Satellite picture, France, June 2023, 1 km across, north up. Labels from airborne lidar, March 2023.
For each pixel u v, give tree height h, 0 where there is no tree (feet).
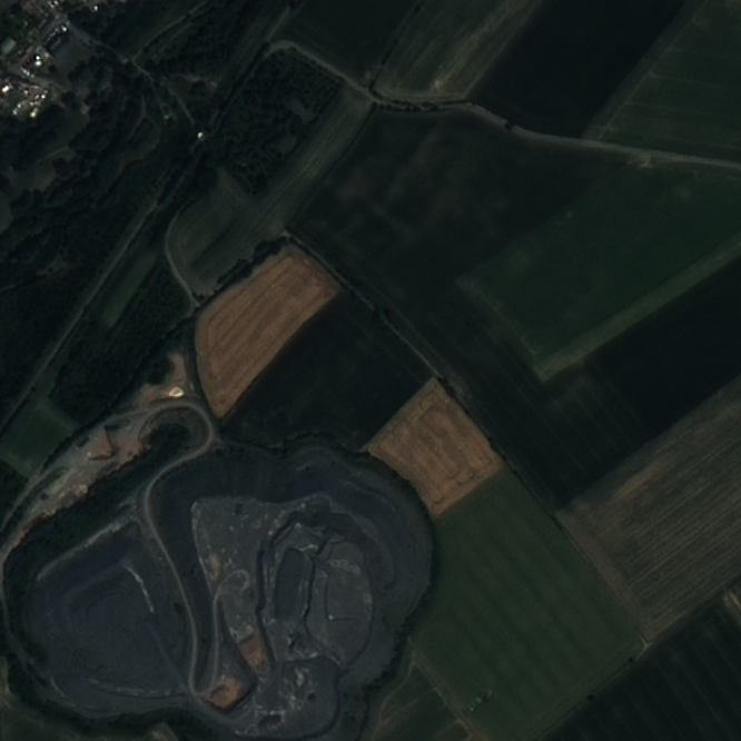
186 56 39
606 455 0
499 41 0
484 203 0
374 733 0
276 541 0
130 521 0
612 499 0
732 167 0
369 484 0
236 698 0
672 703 0
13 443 0
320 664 0
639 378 0
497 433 0
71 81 23
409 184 0
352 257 0
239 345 0
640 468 0
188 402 0
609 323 0
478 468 0
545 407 0
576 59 0
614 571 0
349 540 0
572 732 0
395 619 0
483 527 0
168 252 0
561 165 0
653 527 0
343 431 0
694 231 0
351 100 0
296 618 0
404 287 0
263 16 0
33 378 0
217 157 53
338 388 0
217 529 0
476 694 0
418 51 0
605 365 0
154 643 0
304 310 0
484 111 0
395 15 0
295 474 0
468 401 0
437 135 0
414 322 0
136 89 38
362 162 0
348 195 0
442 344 0
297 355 0
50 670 0
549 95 0
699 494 0
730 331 0
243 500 0
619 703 0
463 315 0
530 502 0
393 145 0
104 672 0
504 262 0
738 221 0
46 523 60
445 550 0
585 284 0
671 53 0
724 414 0
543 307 0
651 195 0
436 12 0
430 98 0
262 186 35
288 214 0
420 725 0
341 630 0
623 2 0
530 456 0
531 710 0
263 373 0
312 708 0
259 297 0
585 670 0
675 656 0
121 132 44
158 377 0
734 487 0
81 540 0
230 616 0
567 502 0
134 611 0
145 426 0
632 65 0
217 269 0
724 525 0
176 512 0
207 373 0
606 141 0
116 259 0
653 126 0
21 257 71
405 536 0
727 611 0
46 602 0
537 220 0
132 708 0
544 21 0
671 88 0
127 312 20
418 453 0
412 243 0
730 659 0
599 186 0
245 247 0
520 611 0
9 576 24
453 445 0
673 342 0
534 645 0
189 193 39
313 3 0
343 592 0
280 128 22
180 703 0
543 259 0
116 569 0
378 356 0
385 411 0
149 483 0
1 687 0
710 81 0
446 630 0
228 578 0
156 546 0
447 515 0
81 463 0
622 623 0
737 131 0
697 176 0
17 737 0
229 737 0
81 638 0
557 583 0
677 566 0
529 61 0
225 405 0
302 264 0
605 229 0
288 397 0
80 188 55
